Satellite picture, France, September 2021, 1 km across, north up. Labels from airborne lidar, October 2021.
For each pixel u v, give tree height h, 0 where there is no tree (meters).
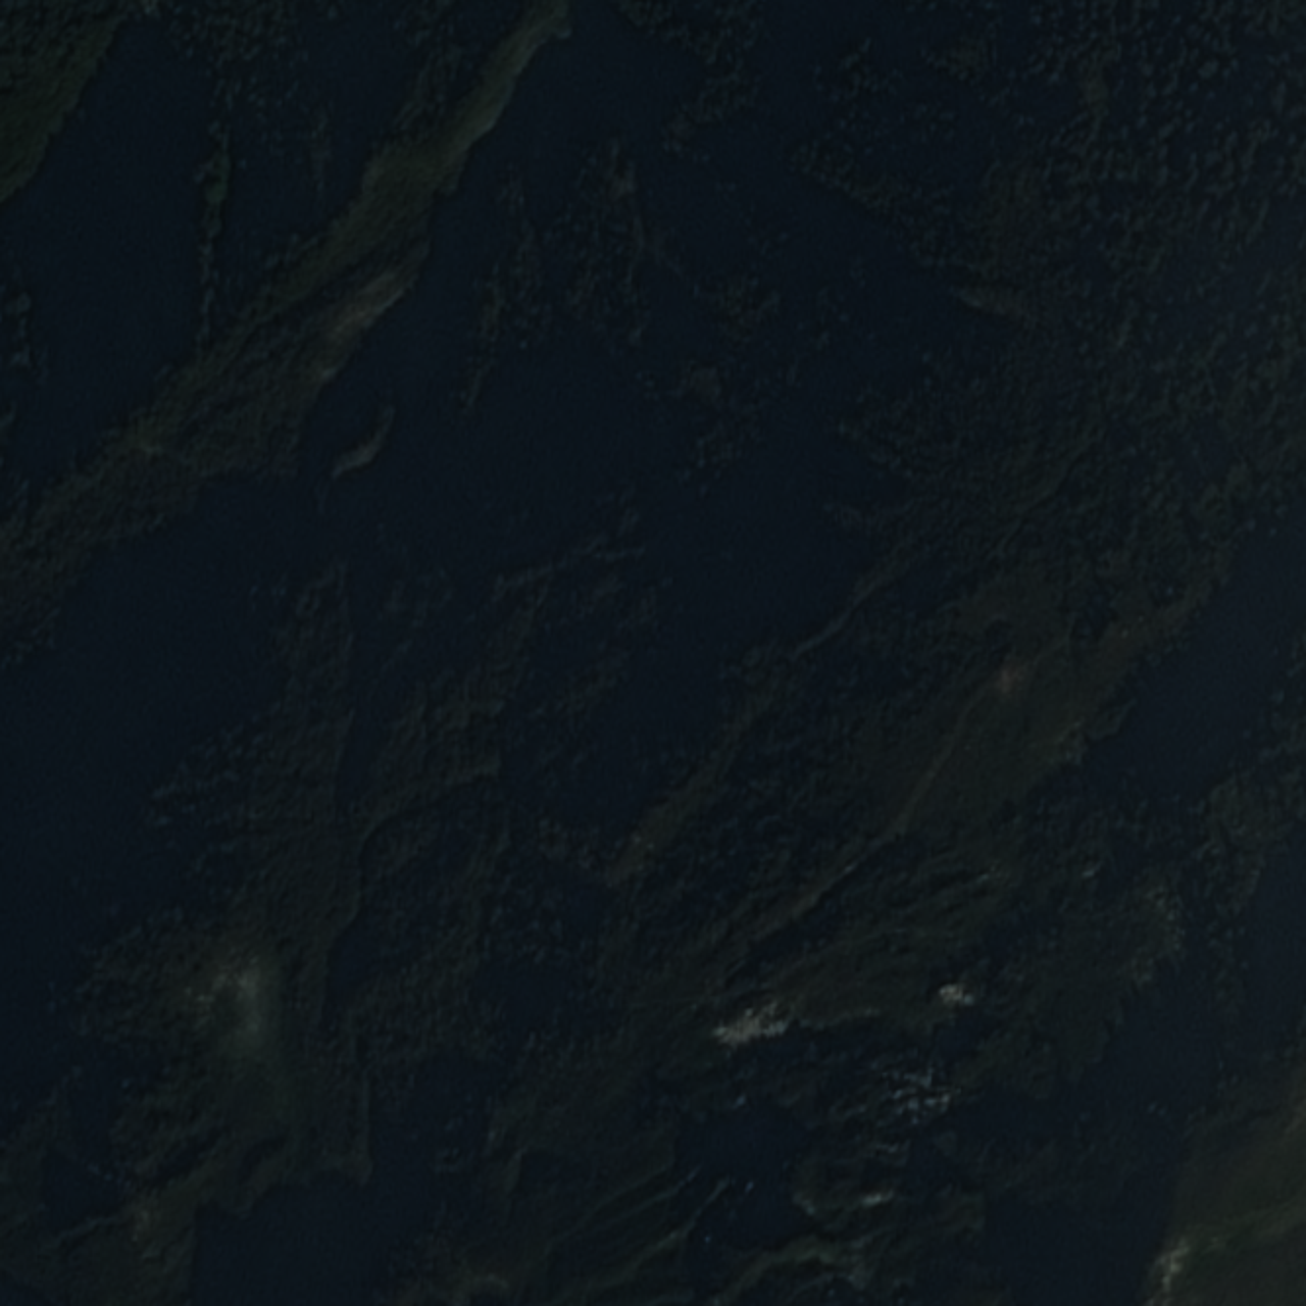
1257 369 28
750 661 6
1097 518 6
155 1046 6
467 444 9
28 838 13
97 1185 0
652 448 6
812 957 0
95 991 8
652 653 8
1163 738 8
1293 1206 0
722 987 0
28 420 7
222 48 9
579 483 12
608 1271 0
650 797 9
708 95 7
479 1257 0
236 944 0
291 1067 0
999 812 0
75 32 14
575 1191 0
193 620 7
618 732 6
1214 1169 0
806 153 11
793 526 7
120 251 7
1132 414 6
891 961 0
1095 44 32
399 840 7
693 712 7
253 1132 0
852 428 7
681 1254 0
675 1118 0
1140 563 7
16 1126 8
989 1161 0
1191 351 9
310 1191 0
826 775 6
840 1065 0
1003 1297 0
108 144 8
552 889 6
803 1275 0
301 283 14
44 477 10
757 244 9
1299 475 10
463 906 6
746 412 6
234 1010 0
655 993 0
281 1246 0
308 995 6
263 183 6
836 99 11
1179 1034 0
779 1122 0
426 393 10
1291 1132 0
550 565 7
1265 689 8
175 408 6
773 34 6
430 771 6
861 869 6
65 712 7
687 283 6
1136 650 0
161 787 10
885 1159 0
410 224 6
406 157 8
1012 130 8
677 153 6
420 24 6
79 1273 0
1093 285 9
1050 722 0
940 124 8
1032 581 0
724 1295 0
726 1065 0
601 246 6
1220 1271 0
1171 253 7
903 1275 0
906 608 8
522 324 9
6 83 8
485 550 6
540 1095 0
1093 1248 0
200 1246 0
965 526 6
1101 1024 0
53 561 8
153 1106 7
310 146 9
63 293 11
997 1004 0
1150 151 31
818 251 8
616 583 6
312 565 6
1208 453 6
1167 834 10
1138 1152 0
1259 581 7
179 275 6
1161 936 0
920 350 6
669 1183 0
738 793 7
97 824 9
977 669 0
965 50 7
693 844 7
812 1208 0
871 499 8
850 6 10
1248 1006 0
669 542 6
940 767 0
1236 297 6
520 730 6
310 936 6
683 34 15
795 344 6
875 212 8
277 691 6
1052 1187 0
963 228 8
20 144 16
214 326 10
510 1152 0
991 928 0
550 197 14
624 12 13
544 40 0
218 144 22
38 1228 0
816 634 8
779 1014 0
